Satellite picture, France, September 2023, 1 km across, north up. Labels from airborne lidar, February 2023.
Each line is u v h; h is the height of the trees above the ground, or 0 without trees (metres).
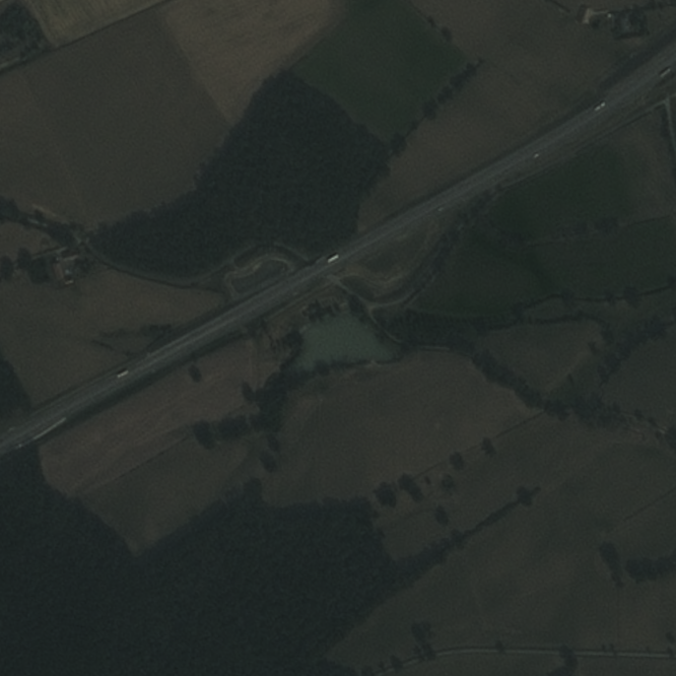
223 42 0
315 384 0
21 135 0
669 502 0
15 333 0
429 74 0
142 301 0
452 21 0
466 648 0
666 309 0
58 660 27
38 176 0
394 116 0
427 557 17
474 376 0
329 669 19
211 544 21
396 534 0
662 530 0
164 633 24
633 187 0
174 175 0
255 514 19
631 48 0
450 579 0
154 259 18
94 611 27
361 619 15
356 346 0
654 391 0
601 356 0
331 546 22
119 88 0
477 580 0
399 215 0
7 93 0
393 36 0
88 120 0
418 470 0
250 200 23
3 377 23
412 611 0
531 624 0
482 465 0
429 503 0
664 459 0
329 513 20
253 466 0
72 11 0
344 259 0
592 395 0
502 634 0
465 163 0
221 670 23
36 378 0
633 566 15
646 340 6
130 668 27
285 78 14
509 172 0
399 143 16
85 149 0
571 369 0
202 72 0
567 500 0
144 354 0
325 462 0
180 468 0
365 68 0
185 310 0
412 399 0
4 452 0
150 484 0
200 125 0
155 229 13
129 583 25
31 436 0
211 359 0
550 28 0
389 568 25
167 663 27
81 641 28
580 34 0
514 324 7
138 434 0
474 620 0
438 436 0
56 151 0
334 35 0
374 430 0
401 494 0
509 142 0
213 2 0
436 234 0
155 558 18
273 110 19
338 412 0
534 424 0
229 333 0
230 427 20
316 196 19
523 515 0
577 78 0
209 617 24
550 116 0
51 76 0
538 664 0
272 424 16
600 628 0
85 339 0
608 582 0
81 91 0
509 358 0
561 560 0
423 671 0
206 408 0
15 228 0
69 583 26
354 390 0
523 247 17
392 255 0
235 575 26
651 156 0
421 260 0
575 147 0
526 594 0
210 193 22
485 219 16
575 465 0
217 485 0
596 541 0
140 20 0
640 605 0
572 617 0
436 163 0
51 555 23
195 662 29
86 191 0
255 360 0
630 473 0
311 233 18
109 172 0
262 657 24
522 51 0
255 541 22
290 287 0
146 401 0
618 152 0
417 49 0
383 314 6
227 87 0
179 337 0
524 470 0
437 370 0
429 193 0
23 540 25
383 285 0
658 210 0
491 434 0
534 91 0
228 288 0
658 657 0
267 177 22
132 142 0
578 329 0
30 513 27
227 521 21
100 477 0
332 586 24
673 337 0
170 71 0
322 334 0
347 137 23
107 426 0
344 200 18
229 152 19
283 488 0
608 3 0
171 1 0
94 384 0
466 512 0
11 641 26
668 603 0
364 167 22
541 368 0
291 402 0
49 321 0
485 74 0
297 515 19
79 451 0
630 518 0
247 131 15
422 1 0
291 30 0
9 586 23
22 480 26
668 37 0
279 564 23
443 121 0
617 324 0
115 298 0
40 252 0
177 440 0
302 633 26
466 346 12
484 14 0
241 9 0
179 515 0
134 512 0
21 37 11
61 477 0
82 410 0
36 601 26
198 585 23
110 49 0
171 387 0
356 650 0
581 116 0
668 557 0
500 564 0
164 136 0
